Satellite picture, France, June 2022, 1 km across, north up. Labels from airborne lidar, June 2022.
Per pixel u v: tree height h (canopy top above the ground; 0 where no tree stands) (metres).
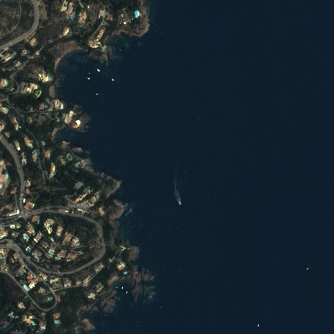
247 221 0
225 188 0
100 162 0
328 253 0
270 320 0
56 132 0
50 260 10
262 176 0
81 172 7
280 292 0
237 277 0
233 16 0
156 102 0
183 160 0
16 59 10
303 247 0
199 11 0
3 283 13
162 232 0
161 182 0
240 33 0
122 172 0
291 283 0
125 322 0
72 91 0
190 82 0
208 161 0
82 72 0
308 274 0
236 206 0
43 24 12
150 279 0
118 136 0
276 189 0
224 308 0
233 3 0
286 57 0
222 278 0
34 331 7
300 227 0
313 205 0
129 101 0
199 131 0
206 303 0
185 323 0
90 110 0
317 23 0
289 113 0
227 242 0
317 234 0
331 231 0
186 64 0
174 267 0
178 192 0
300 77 0
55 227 6
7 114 6
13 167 6
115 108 0
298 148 0
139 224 0
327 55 0
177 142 0
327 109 0
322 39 0
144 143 0
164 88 0
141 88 0
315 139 0
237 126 0
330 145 0
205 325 0
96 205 8
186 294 0
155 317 0
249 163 0
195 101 0
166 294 0
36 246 7
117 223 0
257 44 0
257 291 0
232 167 0
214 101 0
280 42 0
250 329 0
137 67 0
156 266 0
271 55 0
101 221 9
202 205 0
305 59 0
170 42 0
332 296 0
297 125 0
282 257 0
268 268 0
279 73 0
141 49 0
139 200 0
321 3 0
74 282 7
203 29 0
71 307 6
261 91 0
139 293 0
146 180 0
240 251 0
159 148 0
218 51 0
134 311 0
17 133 7
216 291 0
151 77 0
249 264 0
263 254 0
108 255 6
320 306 0
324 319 0
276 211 0
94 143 0
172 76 0
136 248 0
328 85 0
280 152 0
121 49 0
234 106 0
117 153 0
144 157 0
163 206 0
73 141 0
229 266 0
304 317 0
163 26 0
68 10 0
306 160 0
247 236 0
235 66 0
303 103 0
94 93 0
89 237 7
